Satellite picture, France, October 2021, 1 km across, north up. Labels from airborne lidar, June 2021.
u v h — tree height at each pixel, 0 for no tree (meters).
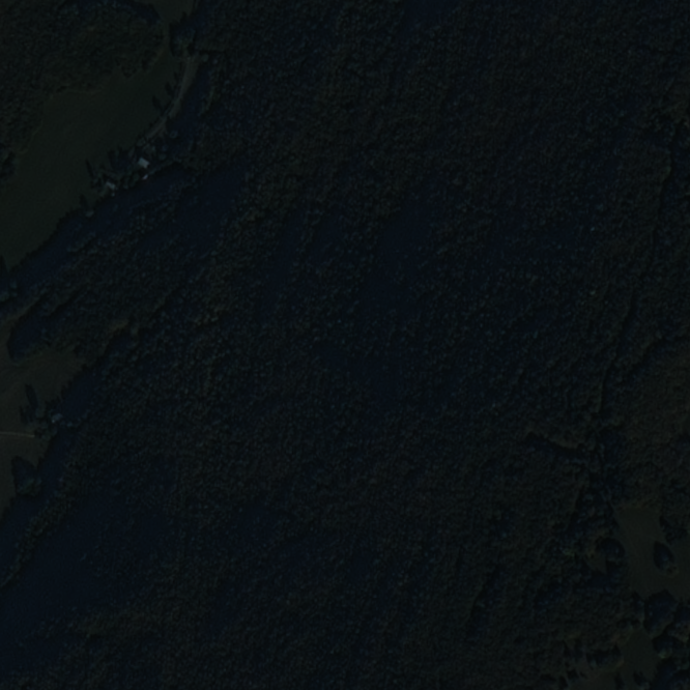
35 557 21
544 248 27
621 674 0
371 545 28
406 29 25
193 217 27
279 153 24
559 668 18
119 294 21
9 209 0
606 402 24
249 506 29
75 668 27
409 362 24
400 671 24
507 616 21
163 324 20
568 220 26
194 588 31
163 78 0
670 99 25
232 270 27
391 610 28
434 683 19
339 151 23
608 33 30
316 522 31
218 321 22
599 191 21
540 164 19
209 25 22
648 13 25
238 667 22
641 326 29
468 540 19
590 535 23
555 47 24
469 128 22
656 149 24
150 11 0
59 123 0
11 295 22
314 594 27
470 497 18
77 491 24
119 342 7
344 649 31
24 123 19
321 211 24
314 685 31
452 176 22
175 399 24
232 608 21
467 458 27
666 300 23
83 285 13
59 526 22
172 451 27
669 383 19
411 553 26
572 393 22
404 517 24
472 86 21
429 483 24
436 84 29
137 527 19
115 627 25
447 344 24
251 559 29
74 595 17
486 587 19
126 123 0
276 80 20
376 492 26
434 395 27
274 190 29
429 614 24
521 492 24
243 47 21
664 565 20
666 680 7
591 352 21
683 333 23
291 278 28
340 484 27
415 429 24
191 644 23
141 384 23
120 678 21
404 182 20
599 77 28
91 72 19
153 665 25
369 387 26
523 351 24
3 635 15
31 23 16
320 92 19
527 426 25
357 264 29
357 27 28
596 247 26
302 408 28
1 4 16
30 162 0
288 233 21
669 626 14
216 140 19
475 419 26
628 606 15
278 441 21
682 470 16
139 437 25
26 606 10
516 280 28
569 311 23
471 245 24
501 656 21
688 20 22
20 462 0
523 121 16
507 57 22
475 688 22
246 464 26
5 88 20
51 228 0
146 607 33
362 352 26
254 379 28
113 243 25
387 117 25
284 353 21
